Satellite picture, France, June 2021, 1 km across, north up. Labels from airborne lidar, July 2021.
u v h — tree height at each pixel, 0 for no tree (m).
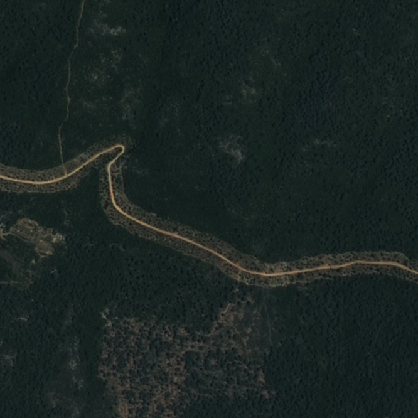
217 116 15
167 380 13
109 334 7
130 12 9
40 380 13
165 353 10
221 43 12
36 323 12
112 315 11
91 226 6
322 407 13
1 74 8
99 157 10
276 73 6
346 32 11
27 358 11
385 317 14
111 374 11
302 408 12
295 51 6
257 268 7
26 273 6
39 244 0
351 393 16
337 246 14
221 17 15
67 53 6
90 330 7
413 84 7
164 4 17
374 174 8
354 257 6
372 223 17
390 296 8
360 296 16
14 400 11
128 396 13
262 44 10
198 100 13
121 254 6
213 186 11
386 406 12
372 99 7
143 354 13
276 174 11
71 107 7
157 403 12
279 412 15
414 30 6
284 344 11
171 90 6
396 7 8
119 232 9
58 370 14
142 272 7
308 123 11
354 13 7
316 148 11
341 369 13
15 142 15
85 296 8
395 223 9
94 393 5
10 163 15
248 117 6
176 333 16
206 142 8
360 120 14
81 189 6
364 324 12
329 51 6
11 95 7
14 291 13
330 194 11
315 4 6
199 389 14
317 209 6
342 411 17
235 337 12
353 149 5
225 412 12
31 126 6
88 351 11
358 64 13
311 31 17
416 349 15
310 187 6
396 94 5
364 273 8
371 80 13
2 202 14
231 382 19
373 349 10
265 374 13
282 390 20
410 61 14
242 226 9
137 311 7
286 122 15
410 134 11
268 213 7
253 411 11
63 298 6
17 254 6
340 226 18
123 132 6
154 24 6
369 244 15
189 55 11
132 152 9
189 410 8
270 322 0
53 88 7
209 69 11
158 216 11
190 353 16
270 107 18
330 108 9
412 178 17
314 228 6
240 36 11
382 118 13
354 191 8
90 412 8
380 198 5
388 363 14
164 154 7
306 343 12
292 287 9
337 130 10
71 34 6
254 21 12
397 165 18
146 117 10
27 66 6
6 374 11
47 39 7
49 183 0
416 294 7
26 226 0
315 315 16
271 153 7
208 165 6
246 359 9
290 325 8
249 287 9
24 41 6
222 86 5
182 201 5
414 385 18
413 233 16
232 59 15
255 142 13
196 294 13
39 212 5
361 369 16
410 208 14
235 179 12
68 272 7
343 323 13
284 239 5
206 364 14
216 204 6
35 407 10
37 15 11
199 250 6
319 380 19
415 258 15
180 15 10
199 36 13
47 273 6
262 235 11
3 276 8
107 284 14
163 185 9
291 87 6
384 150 8
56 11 6
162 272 6
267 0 12
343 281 17
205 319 13
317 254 13
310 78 9
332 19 8
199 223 5
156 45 9
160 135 12
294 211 6
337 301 18
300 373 14
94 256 14
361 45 11
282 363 10
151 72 7
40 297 8
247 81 11
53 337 15
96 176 12
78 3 6
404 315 9
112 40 7
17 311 8
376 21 9
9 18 6
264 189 6
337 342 13
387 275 10
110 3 6
